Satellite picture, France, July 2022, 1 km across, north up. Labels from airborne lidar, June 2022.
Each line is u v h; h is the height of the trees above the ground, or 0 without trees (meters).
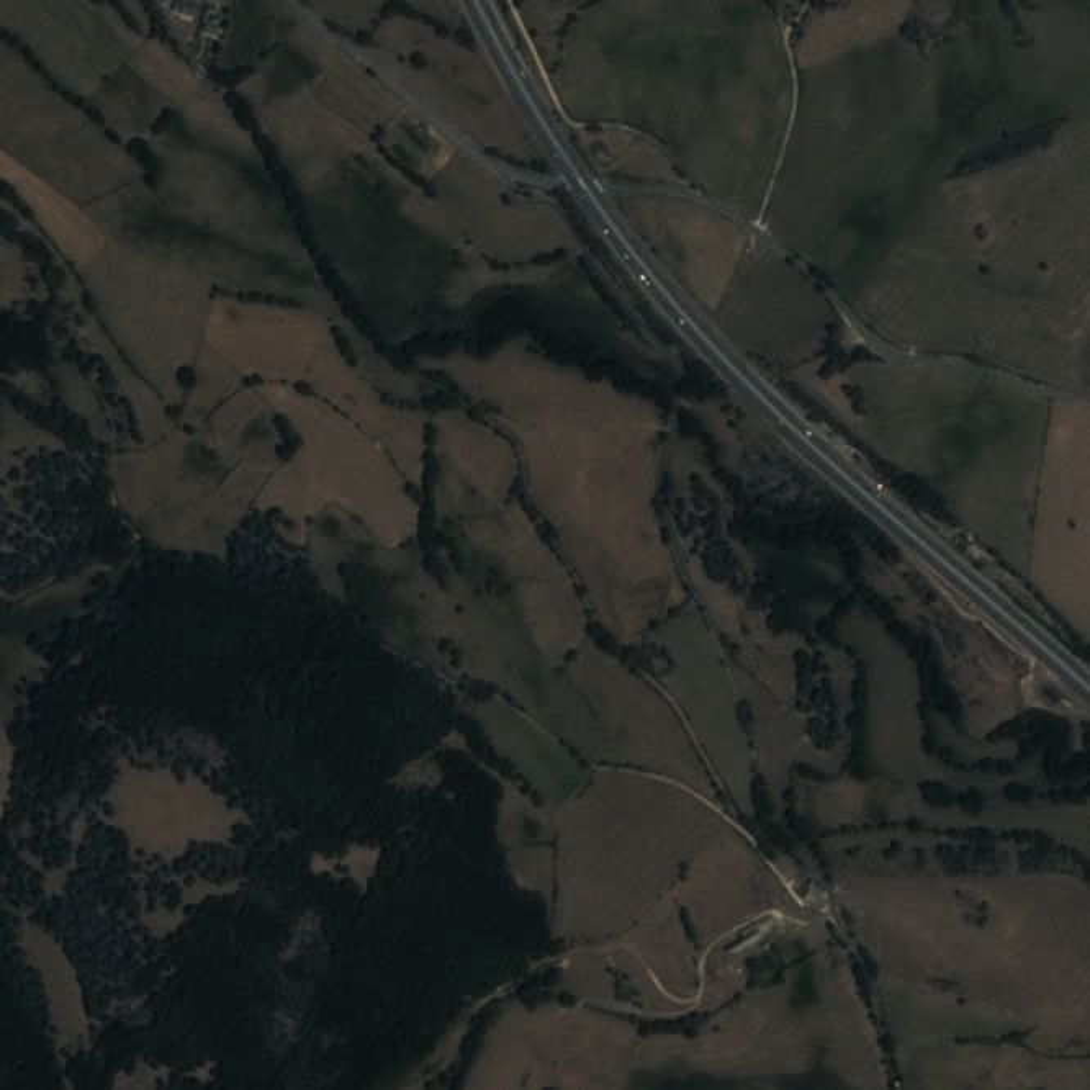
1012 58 0
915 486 14
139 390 0
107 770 7
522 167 9
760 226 0
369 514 0
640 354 0
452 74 0
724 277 0
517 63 0
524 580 0
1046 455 0
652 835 0
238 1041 17
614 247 0
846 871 0
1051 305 0
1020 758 7
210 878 9
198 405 0
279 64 0
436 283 0
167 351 0
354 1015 9
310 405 0
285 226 0
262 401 0
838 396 0
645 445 0
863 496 0
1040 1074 0
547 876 0
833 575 0
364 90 0
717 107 0
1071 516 0
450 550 9
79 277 6
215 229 0
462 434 0
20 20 0
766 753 0
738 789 0
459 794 9
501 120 0
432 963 19
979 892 0
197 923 15
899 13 0
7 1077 17
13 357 21
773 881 0
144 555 7
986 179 0
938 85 0
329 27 9
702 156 0
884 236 0
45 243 8
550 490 0
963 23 0
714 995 0
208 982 17
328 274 12
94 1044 6
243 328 0
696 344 0
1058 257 0
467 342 12
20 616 0
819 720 8
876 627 0
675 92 0
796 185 0
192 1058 16
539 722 0
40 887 16
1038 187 0
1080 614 0
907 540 0
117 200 0
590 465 0
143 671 19
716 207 0
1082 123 0
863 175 0
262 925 9
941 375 0
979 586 0
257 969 7
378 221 0
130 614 19
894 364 0
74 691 22
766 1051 0
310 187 0
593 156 0
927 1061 0
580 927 0
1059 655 0
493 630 0
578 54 0
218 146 0
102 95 0
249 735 18
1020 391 0
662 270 0
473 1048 19
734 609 0
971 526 0
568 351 16
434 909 14
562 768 0
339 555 0
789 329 0
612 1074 0
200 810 0
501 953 12
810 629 10
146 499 0
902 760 0
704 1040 0
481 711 0
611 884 0
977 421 0
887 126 0
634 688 0
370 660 18
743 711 11
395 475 0
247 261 0
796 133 0
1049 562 0
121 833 12
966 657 0
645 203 0
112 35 0
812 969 0
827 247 0
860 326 0
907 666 0
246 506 0
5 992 18
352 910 13
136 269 0
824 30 0
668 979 0
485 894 13
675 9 0
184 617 16
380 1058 11
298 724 17
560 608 0
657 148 0
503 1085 0
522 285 7
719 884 0
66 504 18
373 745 16
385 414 0
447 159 0
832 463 0
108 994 15
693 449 0
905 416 0
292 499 0
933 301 0
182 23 0
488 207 0
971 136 0
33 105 0
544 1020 0
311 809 17
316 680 13
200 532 0
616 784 0
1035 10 0
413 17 13
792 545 16
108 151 0
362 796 14
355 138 0
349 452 0
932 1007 0
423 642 0
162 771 0
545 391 0
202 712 16
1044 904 0
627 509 0
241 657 8
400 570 0
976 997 0
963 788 0
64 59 0
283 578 15
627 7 0
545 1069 0
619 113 0
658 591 0
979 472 0
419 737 18
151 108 0
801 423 0
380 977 21
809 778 9
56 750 14
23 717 14
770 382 0
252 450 0
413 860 12
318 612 9
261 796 18
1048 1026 0
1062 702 0
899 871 0
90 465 9
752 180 0
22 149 0
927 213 0
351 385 0
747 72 0
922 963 0
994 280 0
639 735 0
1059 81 0
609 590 0
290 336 0
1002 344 0
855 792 0
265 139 13
